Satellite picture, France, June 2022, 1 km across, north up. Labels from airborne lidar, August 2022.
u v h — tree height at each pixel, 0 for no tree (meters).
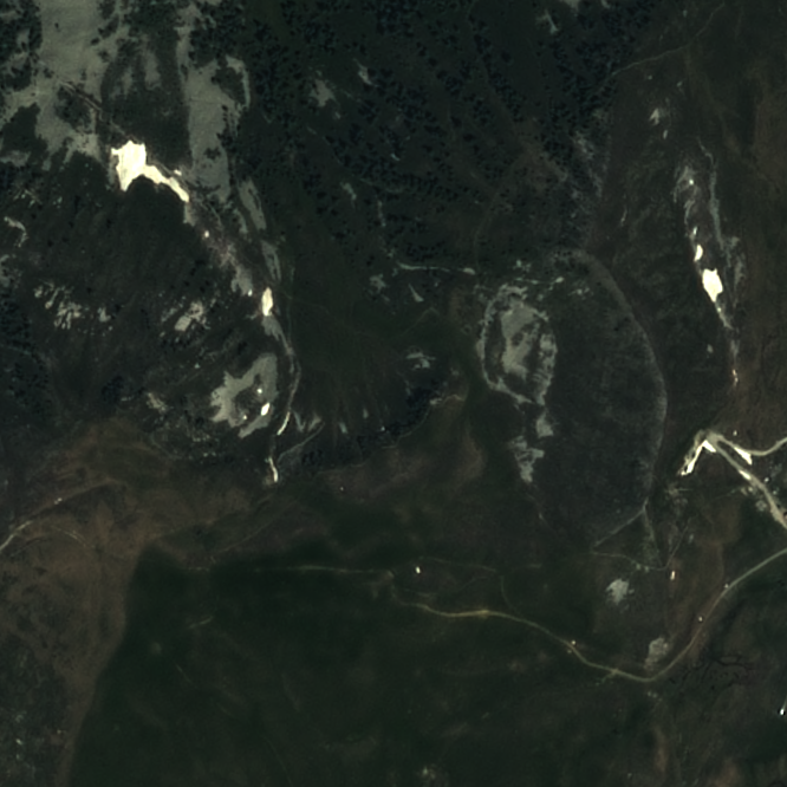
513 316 0
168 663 0
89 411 0
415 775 0
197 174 0
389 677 0
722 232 0
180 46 0
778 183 0
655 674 0
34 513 0
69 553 0
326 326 0
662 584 0
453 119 0
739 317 0
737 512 0
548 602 0
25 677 0
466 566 0
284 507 0
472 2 15
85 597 0
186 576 0
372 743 0
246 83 0
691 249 0
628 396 0
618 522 0
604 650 0
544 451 0
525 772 0
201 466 0
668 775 0
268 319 0
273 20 0
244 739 0
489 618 0
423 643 0
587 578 0
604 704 0
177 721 0
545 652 0
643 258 0
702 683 0
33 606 0
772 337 0
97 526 0
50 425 0
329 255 0
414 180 12
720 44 0
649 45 0
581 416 0
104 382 0
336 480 0
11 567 0
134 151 0
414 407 10
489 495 0
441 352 0
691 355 0
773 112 0
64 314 0
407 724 0
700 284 0
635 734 0
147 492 0
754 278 0
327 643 0
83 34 0
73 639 0
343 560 0
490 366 0
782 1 0
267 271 0
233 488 0
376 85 0
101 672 0
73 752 0
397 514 0
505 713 0
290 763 0
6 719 0
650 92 0
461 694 0
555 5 0
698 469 0
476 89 0
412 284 0
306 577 0
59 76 0
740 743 0
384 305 0
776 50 0
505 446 0
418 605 0
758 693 0
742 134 0
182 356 0
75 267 0
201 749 0
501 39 0
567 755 0
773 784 0
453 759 0
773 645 0
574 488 0
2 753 0
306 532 0
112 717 0
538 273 0
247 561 0
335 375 0
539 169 0
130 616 0
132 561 0
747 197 0
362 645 0
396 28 16
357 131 12
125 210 0
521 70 0
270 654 0
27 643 0
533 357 0
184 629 0
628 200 0
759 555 0
